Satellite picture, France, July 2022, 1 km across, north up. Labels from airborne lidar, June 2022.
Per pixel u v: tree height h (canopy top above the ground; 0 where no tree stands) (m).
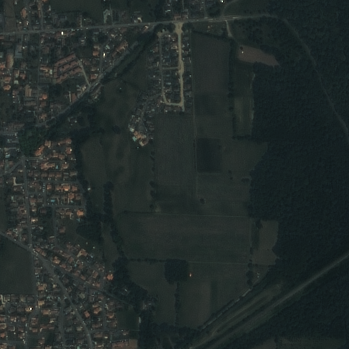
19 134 14
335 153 29
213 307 0
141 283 0
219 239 0
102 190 0
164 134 0
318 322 14
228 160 0
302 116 24
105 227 0
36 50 6
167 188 0
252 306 0
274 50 21
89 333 0
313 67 14
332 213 27
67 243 0
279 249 20
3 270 0
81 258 0
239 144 0
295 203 23
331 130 26
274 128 17
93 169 0
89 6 0
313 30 34
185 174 0
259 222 15
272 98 19
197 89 0
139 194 0
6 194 6
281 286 0
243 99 0
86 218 13
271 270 8
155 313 0
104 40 9
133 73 0
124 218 0
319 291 25
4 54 6
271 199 23
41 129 15
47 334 0
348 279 6
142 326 20
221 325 0
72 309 6
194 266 0
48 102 6
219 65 0
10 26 0
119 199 0
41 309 0
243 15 0
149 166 0
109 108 0
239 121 0
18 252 0
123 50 0
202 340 0
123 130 0
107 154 0
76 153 17
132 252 0
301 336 7
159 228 0
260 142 20
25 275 0
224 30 13
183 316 0
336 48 26
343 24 21
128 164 0
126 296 7
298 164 33
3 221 0
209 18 0
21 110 7
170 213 0
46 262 0
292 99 17
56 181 0
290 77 20
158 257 0
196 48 0
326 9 35
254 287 8
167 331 24
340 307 25
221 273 0
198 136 0
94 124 18
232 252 0
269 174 23
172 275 25
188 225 0
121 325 0
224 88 0
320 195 27
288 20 23
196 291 0
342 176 26
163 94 0
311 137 21
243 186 0
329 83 27
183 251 0
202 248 0
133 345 0
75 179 7
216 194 0
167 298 0
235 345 15
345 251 6
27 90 0
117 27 0
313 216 24
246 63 0
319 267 8
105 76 11
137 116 7
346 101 29
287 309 18
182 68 0
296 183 24
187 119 0
